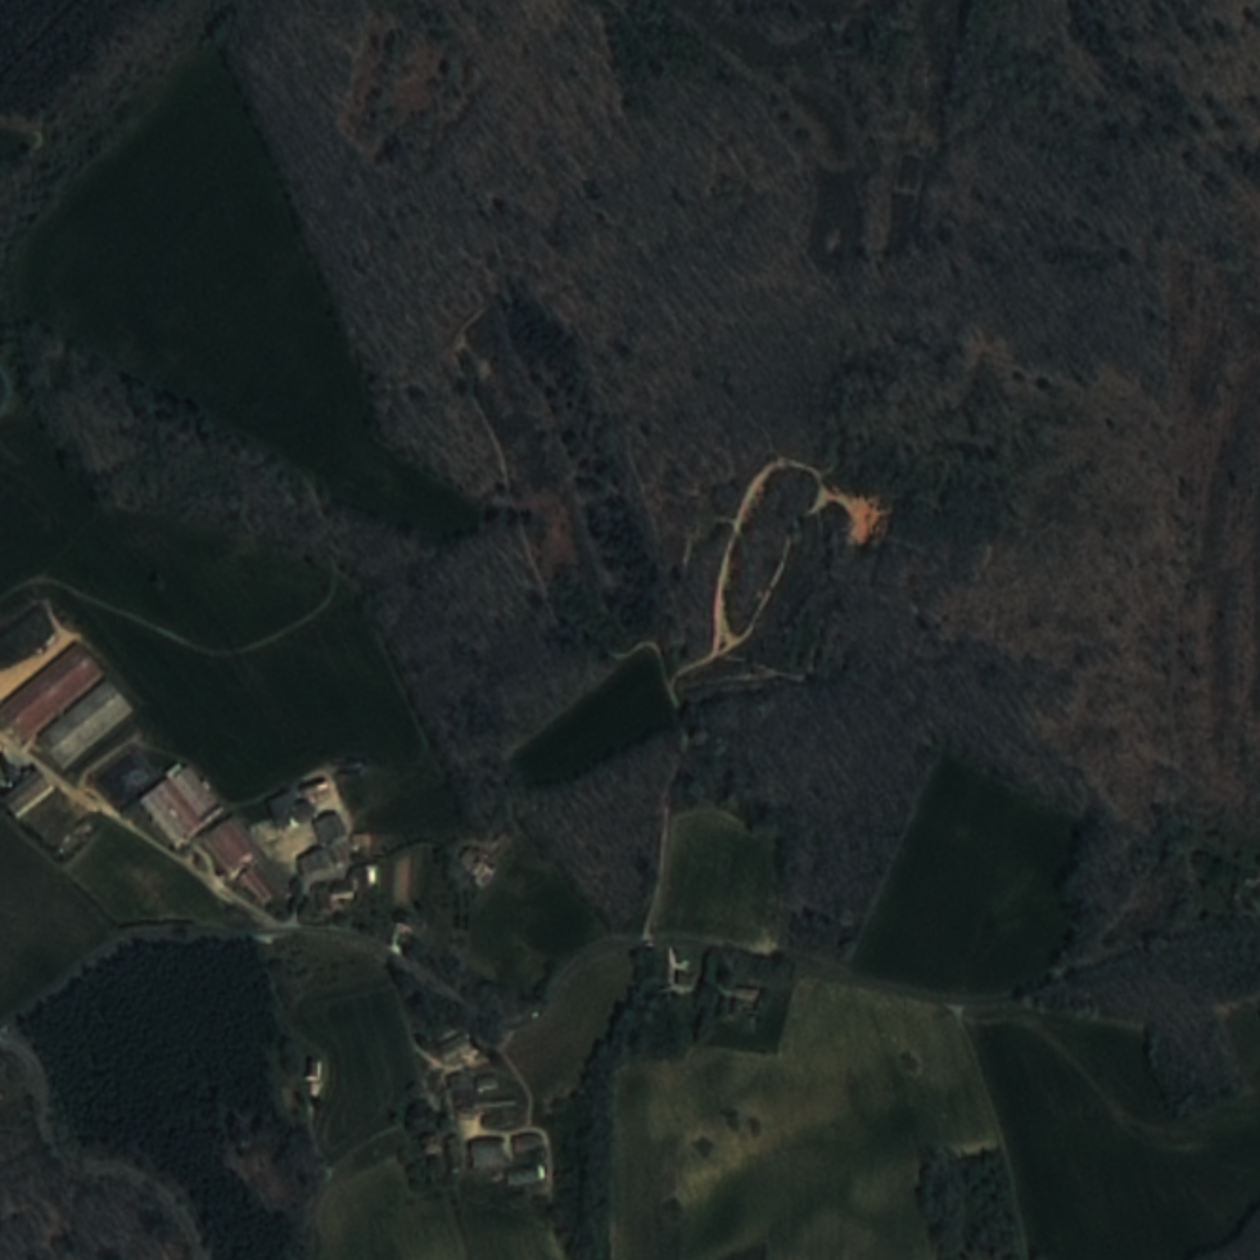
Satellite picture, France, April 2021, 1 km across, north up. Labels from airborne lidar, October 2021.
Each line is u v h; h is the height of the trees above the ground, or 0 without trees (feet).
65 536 0
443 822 0
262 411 0
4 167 51
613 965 0
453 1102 0
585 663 56
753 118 52
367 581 41
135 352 0
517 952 0
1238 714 23
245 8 61
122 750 0
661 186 52
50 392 47
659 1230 0
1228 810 21
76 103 47
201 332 0
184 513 27
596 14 40
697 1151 26
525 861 0
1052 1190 0
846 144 0
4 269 25
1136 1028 53
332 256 54
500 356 29
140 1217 51
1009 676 44
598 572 42
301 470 0
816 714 69
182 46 36
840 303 35
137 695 0
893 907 0
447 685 62
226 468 26
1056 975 48
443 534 0
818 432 38
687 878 0
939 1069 0
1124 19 45
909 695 52
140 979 55
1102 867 69
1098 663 34
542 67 43
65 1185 27
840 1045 0
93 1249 43
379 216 51
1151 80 42
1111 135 44
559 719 46
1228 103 40
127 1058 45
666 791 37
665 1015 34
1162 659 46
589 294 48
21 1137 20
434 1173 40
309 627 0
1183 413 21
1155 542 45
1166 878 23
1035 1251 0
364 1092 0
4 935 0
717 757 69
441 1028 22
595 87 46
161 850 0
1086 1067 0
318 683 0
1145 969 61
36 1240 47
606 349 41
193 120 0
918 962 0
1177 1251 0
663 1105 0
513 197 53
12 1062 43
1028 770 63
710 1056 0
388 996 0
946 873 0
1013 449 76
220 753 0
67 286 0
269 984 43
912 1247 0
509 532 37
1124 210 56
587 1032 0
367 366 37
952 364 52
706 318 66
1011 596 68
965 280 59
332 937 0
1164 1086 45
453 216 49
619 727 0
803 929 56
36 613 0
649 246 51
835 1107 0
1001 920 0
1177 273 28
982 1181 42
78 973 0
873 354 68
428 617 51
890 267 44
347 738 0
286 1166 40
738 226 47
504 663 47
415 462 44
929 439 56
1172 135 48
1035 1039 0
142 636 0
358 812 0
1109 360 64
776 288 60
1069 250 52
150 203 0
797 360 46
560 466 22
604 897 27
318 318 0
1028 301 52
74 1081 43
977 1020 0
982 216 48
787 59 0
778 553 25
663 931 0
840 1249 0
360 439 0
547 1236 0
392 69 23
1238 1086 40
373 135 35
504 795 57
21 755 0
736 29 0
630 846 27
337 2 54
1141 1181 0
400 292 52
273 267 0
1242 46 45
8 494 0
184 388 0
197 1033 51
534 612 44
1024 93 46
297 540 55
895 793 70
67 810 0
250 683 0
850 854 61
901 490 46
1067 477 68
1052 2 66
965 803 0
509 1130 0
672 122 49
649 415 41
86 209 0
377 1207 0
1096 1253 0
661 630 31
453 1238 0
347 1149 0
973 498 52
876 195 35
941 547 43
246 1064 56
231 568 0
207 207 0
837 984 0
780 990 46
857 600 42
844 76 36
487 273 32
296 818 0
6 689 0
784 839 60
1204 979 86
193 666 0
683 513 24
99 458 61
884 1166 0
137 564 0
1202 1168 0
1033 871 0
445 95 30
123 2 41
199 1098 52
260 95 59
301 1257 46
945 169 40
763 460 23
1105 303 53
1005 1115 0
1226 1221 0
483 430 24
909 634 40
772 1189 0
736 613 39
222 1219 46
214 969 54
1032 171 57
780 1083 0
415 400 45
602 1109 64
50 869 0
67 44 39
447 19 51
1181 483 56
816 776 70
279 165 46
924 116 0
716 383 48
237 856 0
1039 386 60
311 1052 0
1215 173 52
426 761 0
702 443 40
